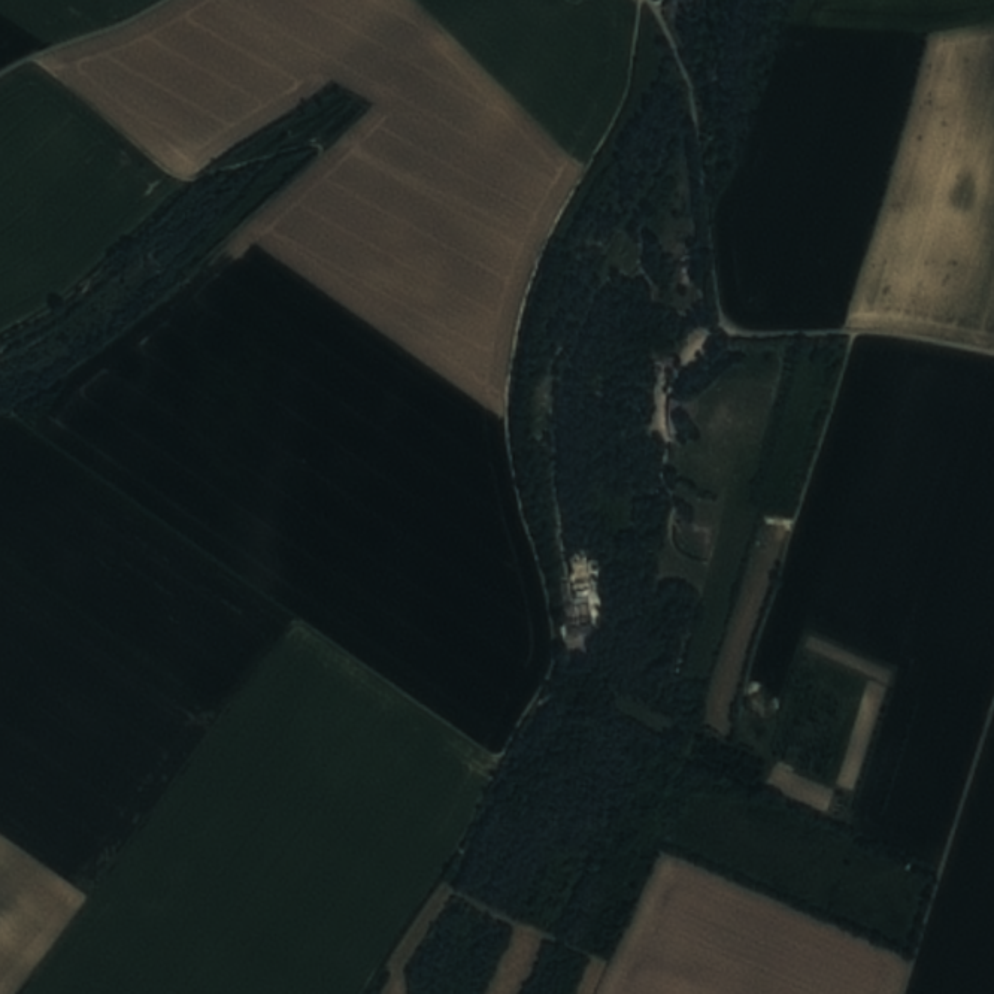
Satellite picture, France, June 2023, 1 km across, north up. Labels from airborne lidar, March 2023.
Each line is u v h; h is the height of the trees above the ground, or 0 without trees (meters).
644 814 14
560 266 12
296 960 0
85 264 0
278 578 0
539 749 10
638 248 0
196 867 0
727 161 13
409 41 0
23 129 0
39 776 0
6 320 0
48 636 0
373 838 0
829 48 0
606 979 0
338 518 0
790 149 0
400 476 0
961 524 0
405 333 0
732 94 18
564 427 15
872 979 0
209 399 0
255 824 0
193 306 0
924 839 0
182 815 0
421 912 0
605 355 12
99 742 0
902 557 0
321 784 0
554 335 9
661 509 14
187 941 0
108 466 0
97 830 0
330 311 0
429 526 0
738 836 0
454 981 6
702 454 0
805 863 0
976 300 0
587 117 0
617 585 16
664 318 14
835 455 0
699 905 0
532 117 0
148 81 0
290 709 0
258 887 0
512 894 12
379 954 0
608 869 12
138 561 0
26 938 0
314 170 0
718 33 7
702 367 13
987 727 0
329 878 0
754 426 0
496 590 0
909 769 0
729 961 0
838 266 0
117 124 0
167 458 0
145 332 0
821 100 0
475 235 0
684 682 10
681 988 0
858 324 0
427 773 0
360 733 0
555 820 11
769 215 0
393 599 0
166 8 0
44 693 0
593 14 0
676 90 7
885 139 0
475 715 0
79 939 0
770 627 0
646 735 13
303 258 0
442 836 0
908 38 0
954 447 0
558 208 0
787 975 0
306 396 0
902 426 0
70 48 0
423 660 0
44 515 0
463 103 0
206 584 0
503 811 15
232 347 0
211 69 0
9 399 8
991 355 0
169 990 0
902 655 0
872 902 0
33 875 0
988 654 0
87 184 0
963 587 0
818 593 0
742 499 0
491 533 0
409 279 0
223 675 0
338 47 0
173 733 0
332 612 0
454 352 0
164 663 0
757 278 0
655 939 0
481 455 0
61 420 0
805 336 8
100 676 0
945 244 0
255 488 0
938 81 0
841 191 0
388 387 0
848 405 0
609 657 14
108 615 0
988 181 0
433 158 0
